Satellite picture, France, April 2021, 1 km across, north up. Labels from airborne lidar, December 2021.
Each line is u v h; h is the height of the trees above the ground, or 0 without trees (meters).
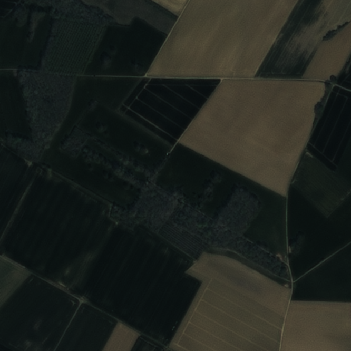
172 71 0
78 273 0
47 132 22
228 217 27
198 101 0
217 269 0
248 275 0
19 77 14
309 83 0
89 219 0
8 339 0
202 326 0
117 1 0
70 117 0
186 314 0
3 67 0
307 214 0
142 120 0
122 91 0
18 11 24
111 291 0
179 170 0
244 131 0
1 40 0
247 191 19
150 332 0
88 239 0
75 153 10
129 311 0
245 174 0
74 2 19
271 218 0
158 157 0
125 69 0
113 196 0
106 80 0
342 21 0
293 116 0
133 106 0
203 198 19
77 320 0
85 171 0
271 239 0
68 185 0
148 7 0
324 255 0
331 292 0
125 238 0
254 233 0
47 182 0
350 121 0
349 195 0
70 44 23
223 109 0
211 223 18
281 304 0
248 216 27
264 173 0
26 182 0
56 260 0
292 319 0
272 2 0
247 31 0
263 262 19
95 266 0
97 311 0
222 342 0
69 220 0
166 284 0
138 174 0
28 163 0
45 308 0
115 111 0
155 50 0
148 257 0
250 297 0
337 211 0
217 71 0
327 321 0
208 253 0
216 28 0
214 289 0
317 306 0
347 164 0
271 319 0
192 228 19
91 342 0
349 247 0
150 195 7
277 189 0
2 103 0
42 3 15
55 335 0
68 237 0
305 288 0
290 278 0
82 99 0
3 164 0
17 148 15
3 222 0
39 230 0
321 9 0
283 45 0
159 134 0
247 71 0
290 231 0
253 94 0
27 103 19
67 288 0
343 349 0
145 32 0
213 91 0
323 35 0
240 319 0
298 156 0
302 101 0
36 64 0
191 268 0
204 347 0
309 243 0
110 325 0
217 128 0
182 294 0
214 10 0
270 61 0
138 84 0
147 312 0
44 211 0
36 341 0
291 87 0
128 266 0
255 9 0
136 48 0
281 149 0
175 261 0
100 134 0
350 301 0
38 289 0
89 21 19
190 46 0
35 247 0
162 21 0
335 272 0
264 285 0
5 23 0
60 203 0
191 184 0
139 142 0
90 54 25
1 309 0
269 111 0
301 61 0
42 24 0
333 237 0
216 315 0
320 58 0
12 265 0
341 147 0
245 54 0
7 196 0
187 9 0
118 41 0
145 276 0
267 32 0
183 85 0
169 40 0
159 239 0
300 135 0
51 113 29
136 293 0
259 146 0
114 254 0
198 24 0
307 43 0
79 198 0
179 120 0
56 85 26
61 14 19
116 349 0
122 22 0
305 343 0
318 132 0
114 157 0
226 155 0
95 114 0
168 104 0
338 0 0
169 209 31
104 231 0
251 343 0
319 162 0
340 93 0
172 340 0
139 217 18
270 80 0
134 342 0
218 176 17
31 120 26
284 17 0
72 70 25
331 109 0
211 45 0
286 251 0
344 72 0
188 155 0
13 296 0
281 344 0
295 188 0
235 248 19
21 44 0
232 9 0
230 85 0
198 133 0
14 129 0
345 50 0
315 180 0
